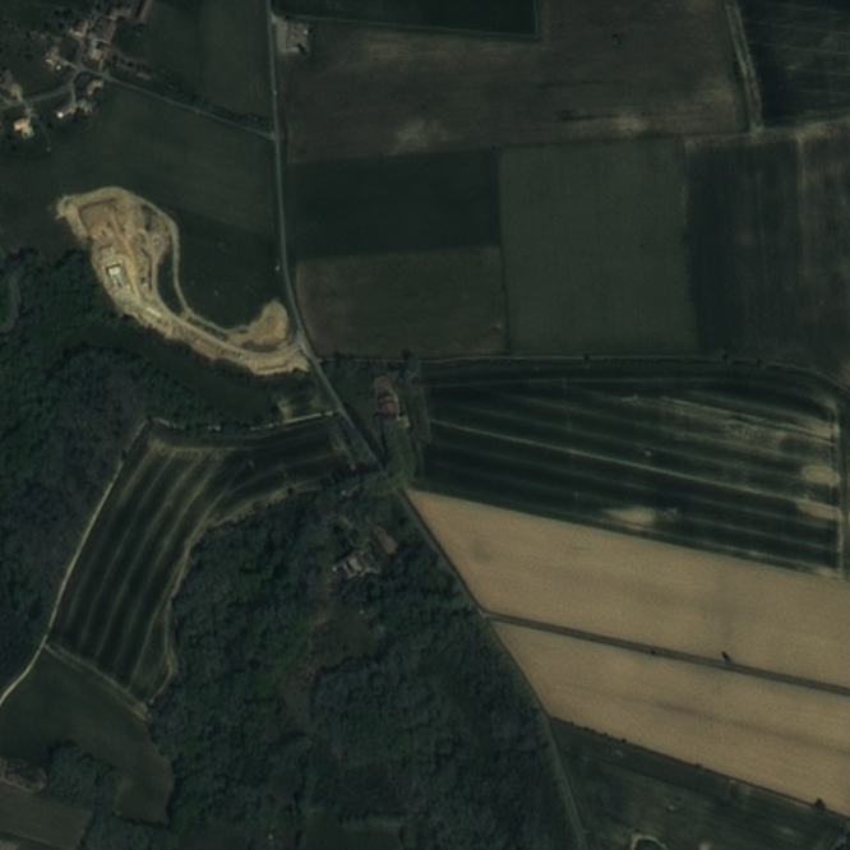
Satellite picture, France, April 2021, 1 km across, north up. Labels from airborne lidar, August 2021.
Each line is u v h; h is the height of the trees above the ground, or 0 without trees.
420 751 23
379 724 21
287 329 0
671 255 0
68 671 0
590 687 0
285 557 23
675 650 0
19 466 25
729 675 0
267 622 31
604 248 0
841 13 0
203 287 0
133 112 0
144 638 0
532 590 0
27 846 0
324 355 0
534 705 25
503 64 0
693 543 0
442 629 18
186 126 0
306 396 0
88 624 0
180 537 0
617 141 0
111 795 16
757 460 0
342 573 13
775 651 0
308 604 17
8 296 16
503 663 25
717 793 0
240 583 25
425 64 0
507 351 0
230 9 0
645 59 0
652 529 0
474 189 0
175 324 0
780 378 0
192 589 17
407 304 0
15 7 0
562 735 0
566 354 0
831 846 0
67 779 8
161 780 0
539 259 0
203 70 0
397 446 30
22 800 0
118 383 16
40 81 0
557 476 0
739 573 0
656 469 0
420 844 7
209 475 0
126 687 0
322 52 0
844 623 0
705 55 0
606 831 0
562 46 0
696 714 0
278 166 0
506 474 0
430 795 18
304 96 0
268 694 15
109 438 15
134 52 0
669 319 0
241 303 0
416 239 0
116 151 0
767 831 0
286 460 0
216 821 19
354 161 0
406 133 0
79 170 0
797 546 0
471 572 0
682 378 0
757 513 0
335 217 0
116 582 0
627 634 0
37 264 20
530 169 0
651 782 0
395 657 24
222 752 20
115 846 19
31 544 15
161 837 24
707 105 0
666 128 0
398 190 0
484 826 25
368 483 27
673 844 0
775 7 0
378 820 13
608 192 0
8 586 11
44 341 17
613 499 0
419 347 0
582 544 0
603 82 0
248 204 0
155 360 0
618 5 0
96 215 0
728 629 0
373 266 0
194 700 23
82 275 14
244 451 0
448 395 0
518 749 18
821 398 0
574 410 0
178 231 0
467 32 0
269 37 0
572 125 0
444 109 0
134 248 0
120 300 0
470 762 8
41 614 18
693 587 0
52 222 0
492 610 0
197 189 0
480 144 0
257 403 0
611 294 0
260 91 0
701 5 0
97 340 0
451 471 0
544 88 0
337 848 0
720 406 0
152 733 9
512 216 0
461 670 18
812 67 0
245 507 0
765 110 0
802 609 0
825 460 0
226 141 0
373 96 0
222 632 24
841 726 0
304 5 0
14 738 0
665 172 0
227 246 0
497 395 0
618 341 0
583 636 0
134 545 0
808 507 0
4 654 8
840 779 0
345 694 20
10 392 22
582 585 0
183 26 0
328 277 0
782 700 0
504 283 0
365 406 0
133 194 0
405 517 7
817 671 0
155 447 0
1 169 0
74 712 0
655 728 0
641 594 0
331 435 0
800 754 0
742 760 0
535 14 0
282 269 0
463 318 0
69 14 9
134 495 0
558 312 0
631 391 0
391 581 12
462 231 0
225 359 0
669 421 0
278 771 12
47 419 24
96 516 15
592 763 0
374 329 0
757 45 0
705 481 0
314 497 9
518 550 0
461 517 0
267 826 21
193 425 16
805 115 0
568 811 15
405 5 0
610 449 0
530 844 23
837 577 0
